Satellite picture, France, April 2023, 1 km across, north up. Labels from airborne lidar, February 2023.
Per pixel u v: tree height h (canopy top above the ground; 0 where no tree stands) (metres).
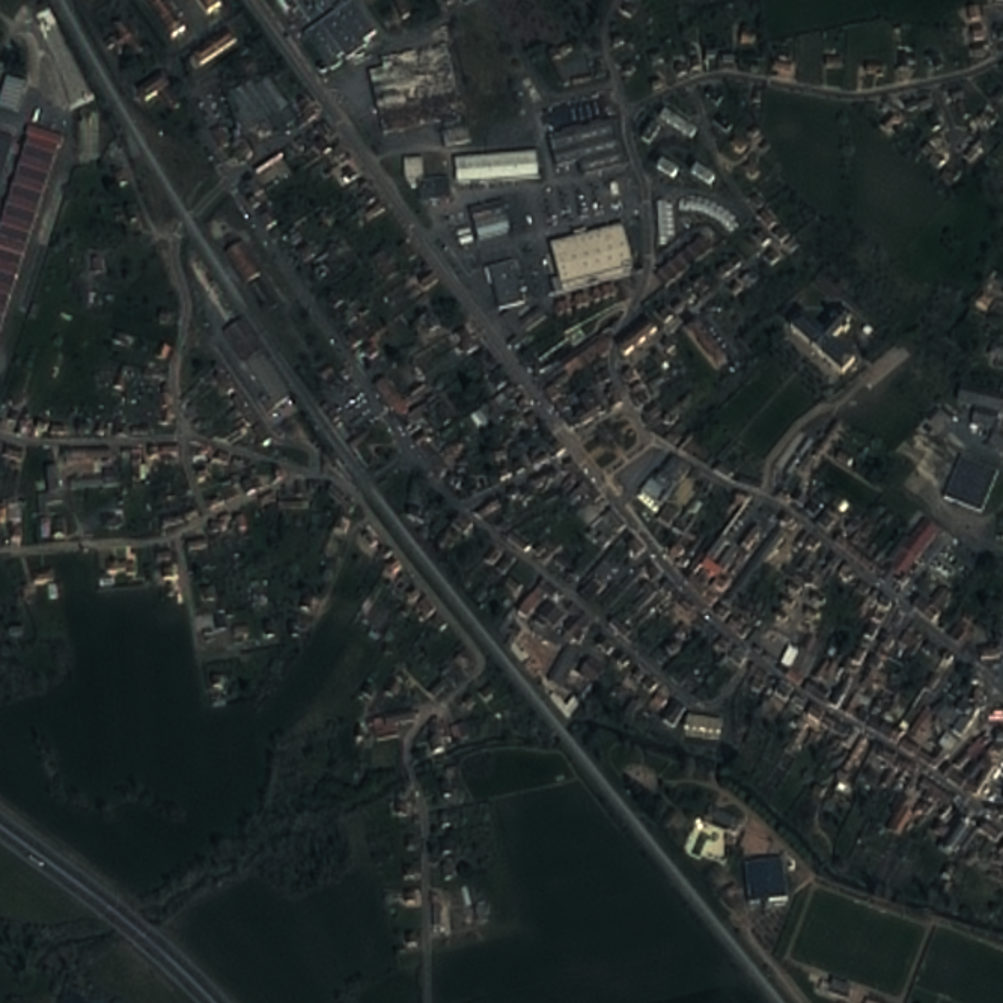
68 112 0
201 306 0
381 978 0
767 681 0
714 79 0
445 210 0
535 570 0
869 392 0
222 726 0
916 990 0
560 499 7
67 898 0
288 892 27
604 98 0
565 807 0
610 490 0
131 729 0
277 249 0
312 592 10
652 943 0
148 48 10
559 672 0
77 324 0
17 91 0
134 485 0
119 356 7
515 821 0
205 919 0
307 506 0
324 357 11
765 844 0
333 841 27
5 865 0
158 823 0
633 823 0
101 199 6
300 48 0
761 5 6
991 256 13
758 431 0
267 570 13
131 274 9
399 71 0
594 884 0
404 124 0
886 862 0
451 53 0
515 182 0
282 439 0
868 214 0
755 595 8
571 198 0
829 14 0
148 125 0
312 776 0
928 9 0
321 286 9
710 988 0
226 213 0
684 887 0
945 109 0
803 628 0
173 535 0
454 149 0
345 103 0
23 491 0
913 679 19
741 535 0
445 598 0
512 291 0
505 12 7
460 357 0
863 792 7
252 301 0
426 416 8
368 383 0
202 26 0
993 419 0
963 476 0
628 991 0
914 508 0
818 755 14
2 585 0
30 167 0
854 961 0
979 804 0
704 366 0
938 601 0
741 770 25
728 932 0
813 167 0
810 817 10
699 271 10
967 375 6
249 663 0
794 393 0
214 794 0
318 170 5
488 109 0
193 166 0
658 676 0
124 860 0
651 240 0
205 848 0
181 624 0
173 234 0
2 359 0
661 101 6
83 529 0
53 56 0
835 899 0
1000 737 0
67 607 0
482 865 6
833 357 0
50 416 0
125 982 0
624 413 0
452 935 0
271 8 0
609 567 0
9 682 17
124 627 0
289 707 0
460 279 0
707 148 0
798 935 0
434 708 0
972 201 0
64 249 12
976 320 0
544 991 0
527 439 15
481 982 0
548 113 0
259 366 0
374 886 0
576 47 15
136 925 0
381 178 0
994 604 17
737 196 0
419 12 8
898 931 0
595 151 0
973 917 7
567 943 0
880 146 0
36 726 0
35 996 0
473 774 15
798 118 0
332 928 0
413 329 11
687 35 7
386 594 0
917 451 0
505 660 0
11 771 0
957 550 0
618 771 0
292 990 0
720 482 0
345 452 0
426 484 19
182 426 0
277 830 20
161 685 0
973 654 12
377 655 0
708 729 0
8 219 0
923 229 0
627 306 0
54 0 0
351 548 0
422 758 15
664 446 0
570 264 0
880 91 0
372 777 9
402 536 0
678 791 6
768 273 18
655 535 0
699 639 13
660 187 0
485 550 13
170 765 0
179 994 0
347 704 0
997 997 0
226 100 7
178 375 0
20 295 0
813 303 0
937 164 0
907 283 0
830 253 8
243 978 0
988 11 0
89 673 0
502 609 13
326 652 0
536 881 0
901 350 0
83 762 0
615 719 15
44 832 0
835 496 8
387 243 6
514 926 0
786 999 0
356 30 0
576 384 8
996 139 10
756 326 10
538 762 0
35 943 15
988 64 0
